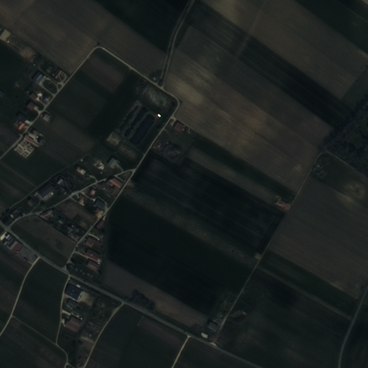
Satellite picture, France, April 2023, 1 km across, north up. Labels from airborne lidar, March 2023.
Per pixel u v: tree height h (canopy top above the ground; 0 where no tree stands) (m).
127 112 0
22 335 0
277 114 0
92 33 0
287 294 0
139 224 0
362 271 0
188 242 0
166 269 0
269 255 0
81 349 0
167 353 0
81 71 0
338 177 0
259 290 0
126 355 0
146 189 0
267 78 0
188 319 0
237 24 0
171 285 0
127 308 0
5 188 0
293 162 0
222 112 0
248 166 0
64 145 0
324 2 0
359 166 21
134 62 0
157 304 0
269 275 0
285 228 0
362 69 0
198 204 0
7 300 0
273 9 0
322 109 0
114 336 0
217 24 0
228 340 0
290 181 0
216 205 0
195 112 0
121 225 0
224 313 0
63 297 0
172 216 0
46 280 0
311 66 0
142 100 0
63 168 0
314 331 0
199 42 0
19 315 0
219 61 0
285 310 0
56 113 0
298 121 0
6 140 0
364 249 0
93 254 0
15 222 0
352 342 0
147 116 0
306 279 0
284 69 0
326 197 0
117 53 0
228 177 0
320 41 0
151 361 0
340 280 0
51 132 0
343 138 21
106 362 0
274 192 0
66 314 0
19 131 0
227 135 0
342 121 0
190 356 0
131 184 0
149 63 0
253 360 0
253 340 0
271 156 0
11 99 0
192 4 0
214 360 0
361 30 0
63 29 0
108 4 0
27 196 0
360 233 0
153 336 0
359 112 17
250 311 0
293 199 0
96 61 0
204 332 0
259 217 0
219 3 0
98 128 0
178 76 0
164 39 0
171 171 0
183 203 0
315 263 0
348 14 0
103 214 0
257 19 0
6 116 0
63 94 0
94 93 0
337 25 0
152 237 0
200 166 0
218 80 0
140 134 0
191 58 0
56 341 0
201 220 0
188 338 0
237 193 0
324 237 0
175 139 0
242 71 0
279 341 0
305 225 0
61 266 0
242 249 0
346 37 0
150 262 0
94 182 0
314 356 0
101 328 0
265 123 0
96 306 8
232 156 0
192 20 0
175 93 0
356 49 0
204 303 0
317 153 0
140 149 0
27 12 0
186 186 0
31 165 0
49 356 0
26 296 0
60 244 0
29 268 0
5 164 0
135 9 0
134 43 0
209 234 0
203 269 0
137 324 0
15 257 0
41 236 0
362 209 0
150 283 0
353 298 0
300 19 0
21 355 0
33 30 0
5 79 0
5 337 0
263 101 0
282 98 0
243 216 0
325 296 0
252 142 0
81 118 0
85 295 0
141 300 15
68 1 0
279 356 0
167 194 0
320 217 0
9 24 0
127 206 0
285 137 0
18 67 0
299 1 0
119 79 0
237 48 0
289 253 0
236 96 0
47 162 0
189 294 0
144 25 0
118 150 0
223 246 0
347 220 0
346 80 0
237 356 0
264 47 0
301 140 0
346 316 0
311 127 0
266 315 0
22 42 0
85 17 0
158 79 0
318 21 0
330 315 0
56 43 0
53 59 0
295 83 0
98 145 0
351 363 0
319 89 0
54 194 0
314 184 0
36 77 0
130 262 0
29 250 0
